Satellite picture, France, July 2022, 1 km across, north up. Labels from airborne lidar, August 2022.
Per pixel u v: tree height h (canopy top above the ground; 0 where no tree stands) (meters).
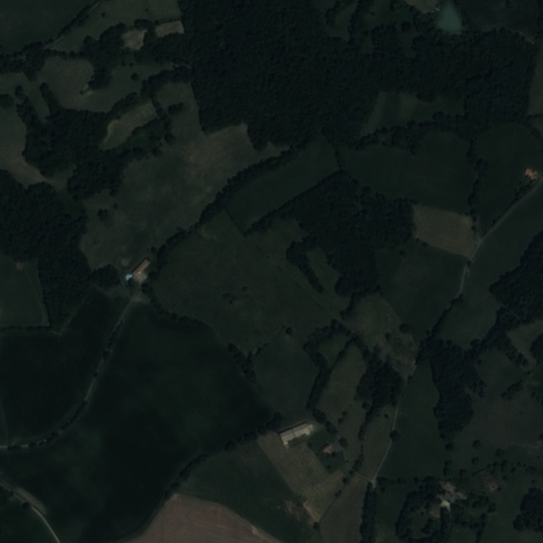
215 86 21
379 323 0
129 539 0
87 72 0
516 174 0
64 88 0
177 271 0
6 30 0
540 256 20
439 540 20
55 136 18
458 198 0
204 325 10
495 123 14
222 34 23
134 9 0
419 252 0
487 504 14
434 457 0
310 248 17
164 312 12
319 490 0
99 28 0
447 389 20
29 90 0
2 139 0
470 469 0
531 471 12
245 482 0
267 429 9
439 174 0
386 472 0
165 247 12
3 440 0
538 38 8
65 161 19
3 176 16
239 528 0
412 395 0
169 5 0
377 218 22
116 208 7
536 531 15
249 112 18
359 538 0
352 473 12
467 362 20
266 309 0
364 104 15
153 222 0
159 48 13
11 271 0
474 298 0
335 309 0
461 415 17
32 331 11
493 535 0
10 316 0
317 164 0
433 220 0
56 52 10
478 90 19
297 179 0
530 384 0
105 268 9
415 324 0
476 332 0
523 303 17
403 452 0
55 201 11
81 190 20
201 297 0
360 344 14
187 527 0
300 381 0
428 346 16
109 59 12
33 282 0
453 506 12
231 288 0
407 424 0
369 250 13
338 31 0
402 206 17
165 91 0
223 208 22
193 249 0
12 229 21
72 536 0
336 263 25
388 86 21
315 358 9
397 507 0
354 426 0
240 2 8
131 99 12
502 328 15
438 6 6
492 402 0
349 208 20
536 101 0
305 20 18
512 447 0
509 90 15
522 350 0
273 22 14
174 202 0
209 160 0
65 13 0
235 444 12
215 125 17
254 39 25
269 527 0
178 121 0
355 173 0
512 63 16
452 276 0
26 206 19
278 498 0
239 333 0
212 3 17
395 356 0
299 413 0
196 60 19
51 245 21
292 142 15
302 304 0
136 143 0
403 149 6
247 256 0
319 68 12
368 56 14
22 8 0
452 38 10
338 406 0
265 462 0
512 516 0
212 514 0
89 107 0
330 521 0
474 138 16
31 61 8
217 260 0
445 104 0
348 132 19
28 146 12
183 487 0
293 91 14
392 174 0
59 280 20
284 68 21
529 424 0
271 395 0
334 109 19
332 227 15
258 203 0
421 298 0
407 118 0
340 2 10
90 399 0
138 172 0
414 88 15
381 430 0
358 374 0
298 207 13
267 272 0
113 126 0
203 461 18
